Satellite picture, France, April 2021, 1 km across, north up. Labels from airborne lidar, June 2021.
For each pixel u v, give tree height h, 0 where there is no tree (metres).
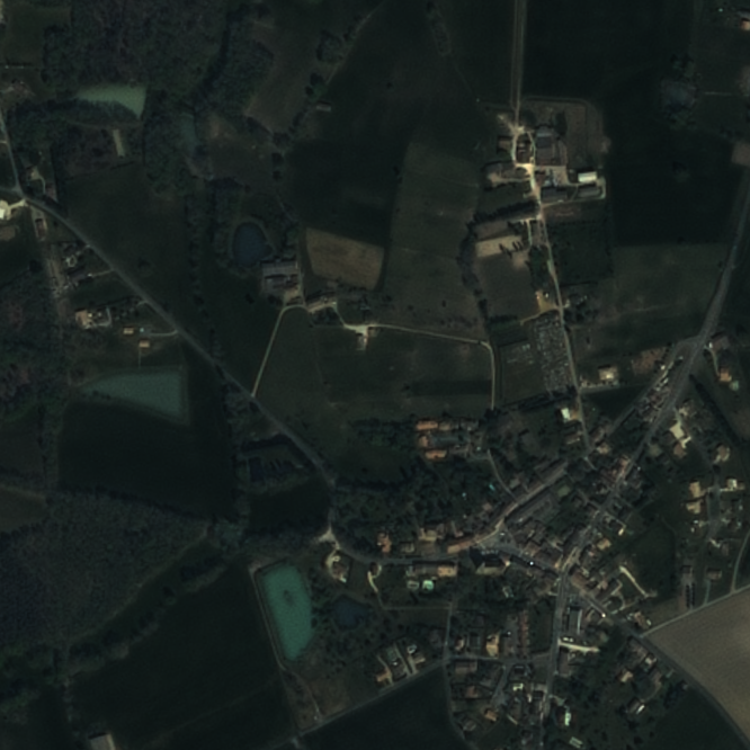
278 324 0
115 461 0
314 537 18
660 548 0
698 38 0
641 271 0
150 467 0
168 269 0
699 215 0
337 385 0
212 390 0
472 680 9
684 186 0
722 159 0
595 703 11
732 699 0
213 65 0
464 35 0
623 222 0
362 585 0
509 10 0
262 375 0
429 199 0
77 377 12
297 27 0
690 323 0
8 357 15
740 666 0
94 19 18
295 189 0
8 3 15
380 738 0
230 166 0
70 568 19
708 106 0
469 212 0
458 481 11
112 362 0
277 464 0
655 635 0
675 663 0
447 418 11
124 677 0
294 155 0
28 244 0
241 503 21
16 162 6
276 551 12
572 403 9
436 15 12
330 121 0
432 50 0
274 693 0
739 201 0
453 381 0
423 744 0
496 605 8
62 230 0
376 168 0
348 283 0
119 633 0
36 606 21
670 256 0
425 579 6
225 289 0
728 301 0
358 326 0
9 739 0
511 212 11
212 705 0
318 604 9
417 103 0
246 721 0
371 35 0
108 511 19
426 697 0
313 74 0
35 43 0
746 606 0
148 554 23
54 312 19
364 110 0
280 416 0
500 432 16
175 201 0
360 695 0
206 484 0
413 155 0
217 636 0
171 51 24
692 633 0
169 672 0
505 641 0
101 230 0
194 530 21
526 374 0
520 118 0
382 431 12
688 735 0
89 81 21
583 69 0
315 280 0
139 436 0
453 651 5
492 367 0
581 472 17
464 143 0
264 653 0
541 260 12
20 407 22
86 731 6
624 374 0
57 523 18
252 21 15
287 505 0
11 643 20
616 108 0
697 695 0
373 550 15
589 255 0
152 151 22
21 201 0
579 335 0
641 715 12
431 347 0
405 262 0
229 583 0
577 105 0
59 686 12
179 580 0
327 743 0
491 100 0
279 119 0
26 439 0
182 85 23
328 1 0
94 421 0
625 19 0
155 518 18
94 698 0
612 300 0
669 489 0
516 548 0
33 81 0
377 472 0
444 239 0
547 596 7
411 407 0
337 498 19
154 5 14
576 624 0
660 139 0
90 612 12
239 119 24
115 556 19
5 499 0
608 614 0
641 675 15
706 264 0
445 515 16
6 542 16
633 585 0
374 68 0
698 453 0
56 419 23
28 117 21
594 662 13
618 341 0
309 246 0
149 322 0
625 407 0
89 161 0
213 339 11
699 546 0
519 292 0
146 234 0
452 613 0
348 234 0
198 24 18
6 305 8
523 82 0
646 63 0
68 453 0
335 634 12
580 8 0
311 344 0
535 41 0
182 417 0
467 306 0
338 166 0
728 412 0
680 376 0
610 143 0
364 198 0
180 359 0
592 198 0
